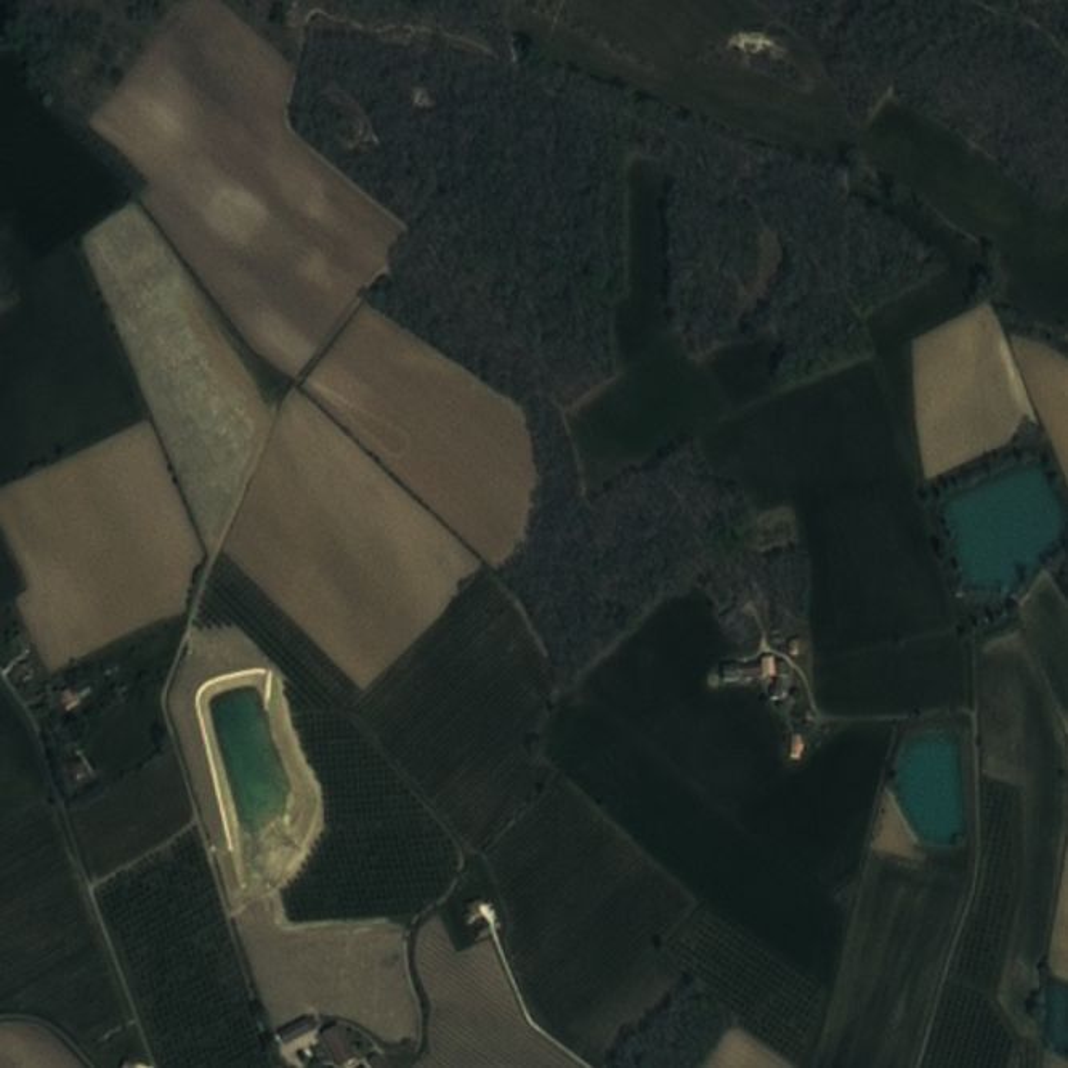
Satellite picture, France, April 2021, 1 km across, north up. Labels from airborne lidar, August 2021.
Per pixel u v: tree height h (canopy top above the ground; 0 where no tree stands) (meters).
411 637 0
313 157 0
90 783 14
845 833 0
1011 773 0
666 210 14
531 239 22
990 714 0
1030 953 0
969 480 15
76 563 0
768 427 0
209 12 0
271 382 0
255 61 0
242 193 0
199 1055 6
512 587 11
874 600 0
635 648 0
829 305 17
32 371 0
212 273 0
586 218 17
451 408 0
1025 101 15
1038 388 0
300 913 6
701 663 0
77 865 0
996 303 11
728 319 18
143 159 0
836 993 0
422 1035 0
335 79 6
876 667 0
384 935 0
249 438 0
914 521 0
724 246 23
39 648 0
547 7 8
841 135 0
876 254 18
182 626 0
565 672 22
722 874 0
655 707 0
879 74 11
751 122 0
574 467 15
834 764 0
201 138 0
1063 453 0
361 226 0
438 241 17
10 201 0
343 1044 0
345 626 0
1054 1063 0
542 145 11
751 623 17
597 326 20
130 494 0
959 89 15
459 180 18
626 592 17
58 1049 0
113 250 0
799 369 18
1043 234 0
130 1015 0
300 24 0
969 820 0
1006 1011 0
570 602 17
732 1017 13
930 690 0
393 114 12
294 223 0
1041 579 0
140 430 0
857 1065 0
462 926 0
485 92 14
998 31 14
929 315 0
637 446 0
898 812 0
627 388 0
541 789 11
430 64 11
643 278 0
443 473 0
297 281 0
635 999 0
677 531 17
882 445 0
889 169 0
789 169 17
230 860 0
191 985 6
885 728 0
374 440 0
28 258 0
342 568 0
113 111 0
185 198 0
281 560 0
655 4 0
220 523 0
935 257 12
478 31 11
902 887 0
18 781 0
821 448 0
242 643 0
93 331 0
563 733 0
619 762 0
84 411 0
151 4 8
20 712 0
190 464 0
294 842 0
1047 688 0
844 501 0
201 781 0
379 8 12
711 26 0
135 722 0
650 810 0
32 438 0
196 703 0
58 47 7
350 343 0
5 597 0
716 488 18
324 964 0
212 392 0
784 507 0
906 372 0
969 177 0
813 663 0
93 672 12
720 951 6
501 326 17
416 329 11
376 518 0
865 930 0
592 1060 0
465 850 0
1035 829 0
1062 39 17
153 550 0
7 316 0
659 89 0
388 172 9
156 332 0
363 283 0
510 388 16
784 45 0
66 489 0
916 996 0
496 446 0
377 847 6
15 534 0
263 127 0
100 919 0
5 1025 0
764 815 0
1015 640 0
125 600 0
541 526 13
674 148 15
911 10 16
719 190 18
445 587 0
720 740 0
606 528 18
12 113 0
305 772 0
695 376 0
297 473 0
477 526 0
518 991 0
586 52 0
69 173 0
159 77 0
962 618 0
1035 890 0
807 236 16
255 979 0
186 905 6
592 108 20
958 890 0
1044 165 13
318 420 0
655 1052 22
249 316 0
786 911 0
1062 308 0
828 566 0
